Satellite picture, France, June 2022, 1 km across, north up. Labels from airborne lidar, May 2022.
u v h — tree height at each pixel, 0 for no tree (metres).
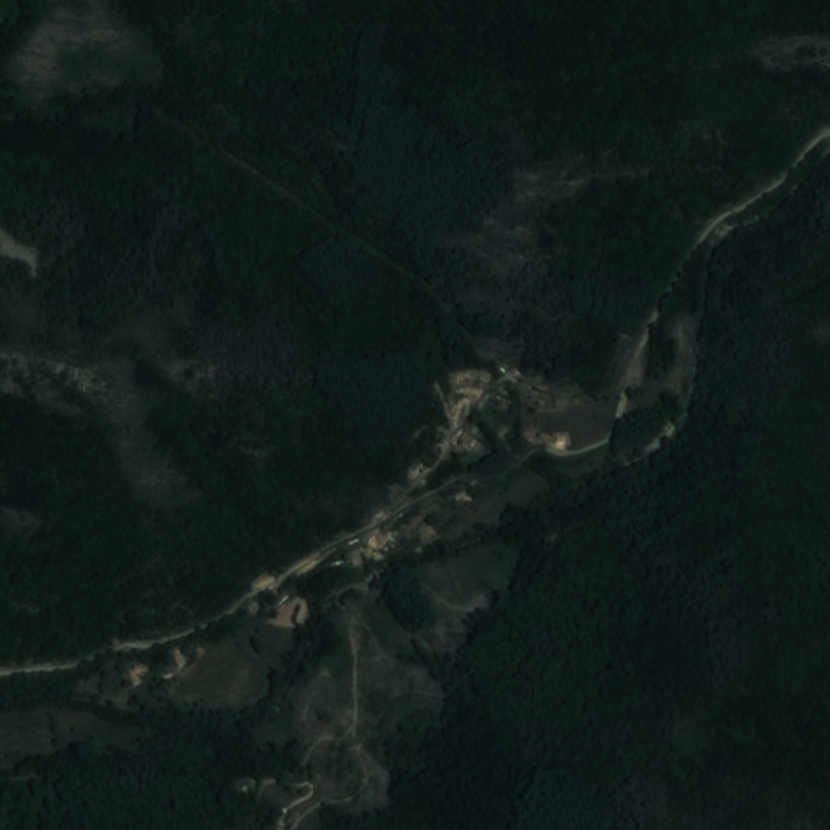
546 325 10
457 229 20
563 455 0
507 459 28
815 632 18
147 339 0
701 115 12
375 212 23
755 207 14
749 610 9
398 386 38
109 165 11
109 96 16
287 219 14
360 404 28
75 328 7
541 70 15
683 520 22
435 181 25
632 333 33
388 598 15
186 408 16
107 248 12
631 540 11
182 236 14
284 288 14
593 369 19
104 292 9
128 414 0
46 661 14
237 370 14
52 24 0
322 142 9
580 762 17
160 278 11
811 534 19
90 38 0
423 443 12
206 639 13
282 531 9
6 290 7
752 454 16
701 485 21
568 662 18
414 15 13
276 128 17
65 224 14
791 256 20
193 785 13
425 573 0
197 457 18
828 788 13
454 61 12
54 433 13
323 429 12
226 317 14
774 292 17
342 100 11
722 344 9
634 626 29
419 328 14
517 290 11
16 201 10
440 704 0
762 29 10
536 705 17
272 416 8
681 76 11
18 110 20
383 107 28
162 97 16
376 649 0
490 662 13
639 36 15
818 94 10
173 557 8
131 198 7
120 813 16
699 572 12
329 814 14
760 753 8
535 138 7
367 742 0
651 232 18
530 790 16
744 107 17
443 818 19
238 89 11
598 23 18
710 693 10
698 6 21
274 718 35
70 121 20
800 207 13
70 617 14
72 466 16
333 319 17
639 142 13
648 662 22
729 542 22
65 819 15
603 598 14
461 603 0
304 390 10
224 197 13
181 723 17
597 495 14
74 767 20
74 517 19
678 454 28
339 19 15
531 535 14
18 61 0
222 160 17
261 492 12
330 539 10
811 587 18
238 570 11
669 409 9
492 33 14
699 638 17
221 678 0
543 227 10
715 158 10
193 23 7
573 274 14
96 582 17
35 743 0
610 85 15
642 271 21
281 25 10
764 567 21
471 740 23
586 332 11
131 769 17
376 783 0
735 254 17
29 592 13
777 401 17
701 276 14
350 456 14
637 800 11
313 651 11
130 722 13
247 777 8
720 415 8
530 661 23
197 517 13
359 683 0
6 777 10
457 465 10
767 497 9
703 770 12
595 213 11
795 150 22
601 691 13
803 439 23
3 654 16
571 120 6
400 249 18
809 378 21
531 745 13
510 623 23
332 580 15
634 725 11
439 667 10
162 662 15
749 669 12
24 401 8
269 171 14
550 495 8
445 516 0
